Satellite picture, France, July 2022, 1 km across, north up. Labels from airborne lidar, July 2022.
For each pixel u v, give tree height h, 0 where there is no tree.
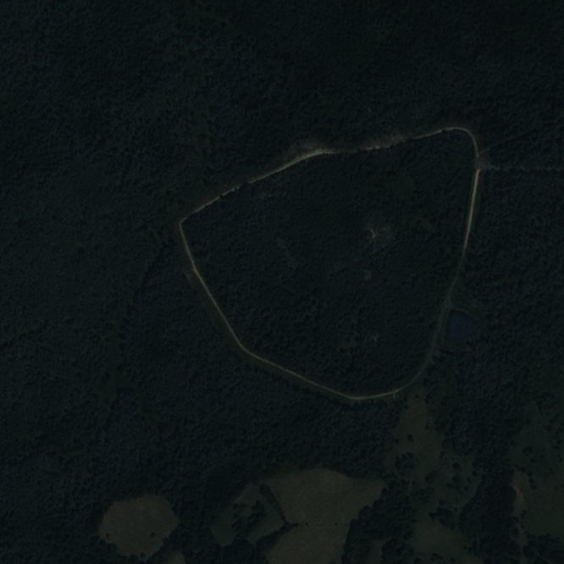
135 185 18
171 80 22
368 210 12
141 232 13
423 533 0
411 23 20
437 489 0
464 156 6
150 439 16
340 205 9
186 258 0
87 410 7
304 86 19
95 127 7
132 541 0
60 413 17
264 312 11
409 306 13
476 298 16
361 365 12
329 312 16
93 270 18
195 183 24
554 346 9
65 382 18
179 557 0
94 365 15
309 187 11
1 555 12
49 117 9
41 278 20
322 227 8
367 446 19
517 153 9
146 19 18
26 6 20
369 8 21
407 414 0
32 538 18
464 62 20
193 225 12
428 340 11
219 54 16
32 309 15
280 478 0
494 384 14
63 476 18
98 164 17
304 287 13
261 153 19
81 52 6
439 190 17
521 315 8
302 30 16
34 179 16
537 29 19
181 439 18
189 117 10
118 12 11
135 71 7
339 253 12
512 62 23
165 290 16
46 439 20
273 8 18
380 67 19
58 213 19
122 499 15
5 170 13
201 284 0
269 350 13
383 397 0
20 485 20
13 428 15
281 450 15
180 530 10
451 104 19
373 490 0
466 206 8
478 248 18
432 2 26
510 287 16
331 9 19
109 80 10
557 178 17
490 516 17
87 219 19
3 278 18
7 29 20
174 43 8
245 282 15
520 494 0
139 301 15
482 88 21
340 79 16
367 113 10
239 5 15
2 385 15
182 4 6
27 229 17
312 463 7
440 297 9
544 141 9
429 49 19
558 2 17
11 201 17
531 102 12
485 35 13
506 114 20
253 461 17
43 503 20
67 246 17
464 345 0
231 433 6
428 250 16
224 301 18
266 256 13
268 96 7
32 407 14
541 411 16
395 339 16
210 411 20
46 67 10
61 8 7
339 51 17
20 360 12
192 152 18
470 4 20
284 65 8
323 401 19
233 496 21
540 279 10
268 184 12
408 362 12
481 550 17
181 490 24
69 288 18
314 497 0
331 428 21
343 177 14
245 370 17
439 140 11
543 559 12
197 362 16
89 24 6
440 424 7
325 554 0
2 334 17
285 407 17
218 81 21
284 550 0
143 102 20
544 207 17
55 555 16
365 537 11
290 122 7
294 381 0
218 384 16
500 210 21
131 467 14
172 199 12
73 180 20
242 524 9
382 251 11
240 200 17
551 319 16
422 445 0
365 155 13
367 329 15
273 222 15
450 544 0
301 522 0
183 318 17
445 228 14
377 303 16
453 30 21
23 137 10
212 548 17
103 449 16
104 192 20
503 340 15
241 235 13
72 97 18
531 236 15
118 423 21
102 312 17
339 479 0
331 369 11
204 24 8
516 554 11
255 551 16
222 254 15
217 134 20
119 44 9
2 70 23
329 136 12
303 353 15
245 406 16
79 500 12
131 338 15
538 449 0
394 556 11
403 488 13
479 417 13
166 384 19
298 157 0
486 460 13
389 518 12
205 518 29
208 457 23
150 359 17
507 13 23
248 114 16
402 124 17
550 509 0
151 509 0
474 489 0
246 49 22
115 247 20
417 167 11
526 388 9
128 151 13
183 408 25
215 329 22
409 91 15
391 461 0
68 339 17
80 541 18
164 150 8
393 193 9
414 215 13
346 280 9
